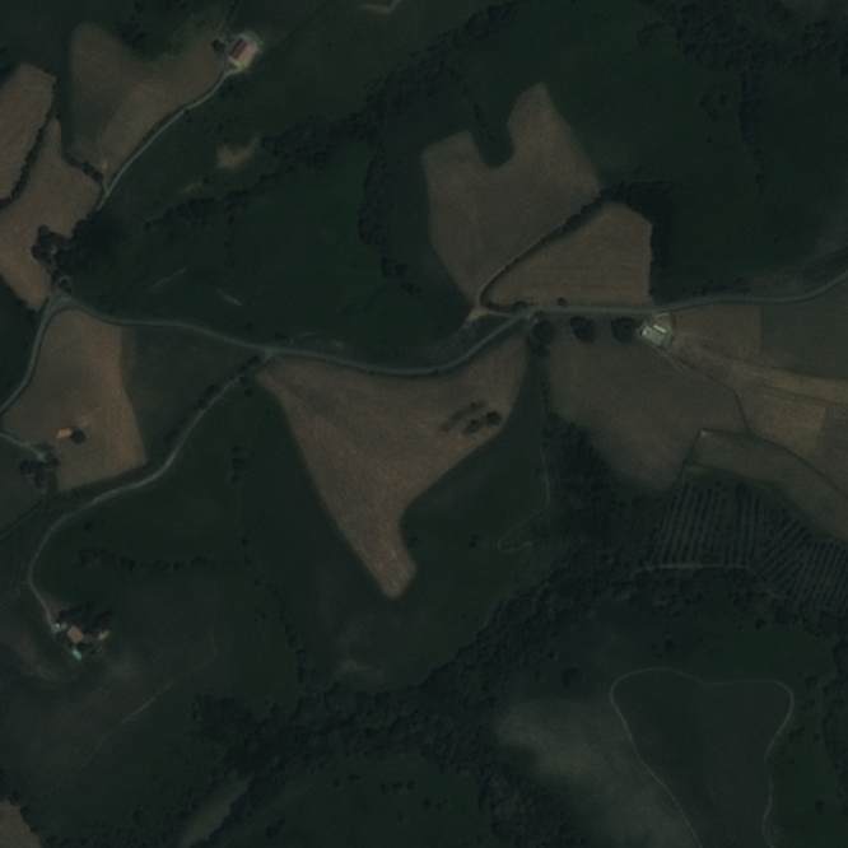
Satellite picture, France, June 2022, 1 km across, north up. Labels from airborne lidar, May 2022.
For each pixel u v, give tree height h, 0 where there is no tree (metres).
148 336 0
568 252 0
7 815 0
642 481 0
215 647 0
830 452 0
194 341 0
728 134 0
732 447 0
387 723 28
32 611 0
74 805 0
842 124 0
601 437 0
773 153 0
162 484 0
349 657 0
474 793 0
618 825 0
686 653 0
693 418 0
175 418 0
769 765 0
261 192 8
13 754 0
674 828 0
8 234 0
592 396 0
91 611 11
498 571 0
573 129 0
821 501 0
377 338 0
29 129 0
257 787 16
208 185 7
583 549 12
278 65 0
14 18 0
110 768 0
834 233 0
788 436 0
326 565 0
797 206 0
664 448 0
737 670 0
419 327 0
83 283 0
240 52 0
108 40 0
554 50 0
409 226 0
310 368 0
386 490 0
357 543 0
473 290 0
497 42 0
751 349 0
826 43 14
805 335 0
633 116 0
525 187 0
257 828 0
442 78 9
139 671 0
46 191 0
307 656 18
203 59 0
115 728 0
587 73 0
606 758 0
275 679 0
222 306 0
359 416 0
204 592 0
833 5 0
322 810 0
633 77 0
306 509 0
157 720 0
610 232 0
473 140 0
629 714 0
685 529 7
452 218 0
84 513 0
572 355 0
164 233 0
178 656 0
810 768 0
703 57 8
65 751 0
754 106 19
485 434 0
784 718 0
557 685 0
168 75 0
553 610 22
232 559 0
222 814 0
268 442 0
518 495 0
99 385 0
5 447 0
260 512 0
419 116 0
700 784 0
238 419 0
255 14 0
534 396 0
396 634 0
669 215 18
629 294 0
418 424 0
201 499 0
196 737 6
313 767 16
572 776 0
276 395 0
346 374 0
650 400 0
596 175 0
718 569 7
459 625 0
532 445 0
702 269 0
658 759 0
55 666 0
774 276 0
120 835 8
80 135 0
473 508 0
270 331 0
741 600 15
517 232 0
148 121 0
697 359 0
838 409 0
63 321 0
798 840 0
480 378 0
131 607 0
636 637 0
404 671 0
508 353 0
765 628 13
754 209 0
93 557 9
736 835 0
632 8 0
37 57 0
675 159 0
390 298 0
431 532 0
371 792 0
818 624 13
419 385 0
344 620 0
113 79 0
